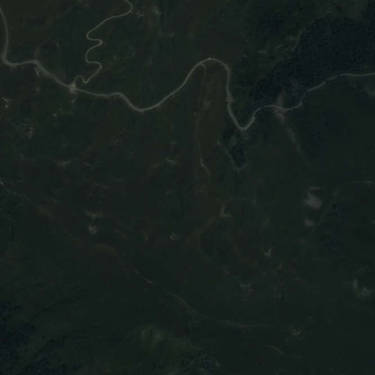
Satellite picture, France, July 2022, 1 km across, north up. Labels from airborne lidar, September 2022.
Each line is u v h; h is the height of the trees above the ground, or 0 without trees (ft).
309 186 0
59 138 0
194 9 0
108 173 0
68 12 0
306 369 0
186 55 0
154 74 0
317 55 32
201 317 0
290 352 0
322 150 0
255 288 0
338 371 0
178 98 0
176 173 0
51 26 0
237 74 0
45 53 0
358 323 0
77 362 0
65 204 0
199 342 0
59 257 0
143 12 0
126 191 0
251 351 0
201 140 0
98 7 0
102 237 0
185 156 0
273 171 0
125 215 0
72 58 0
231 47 0
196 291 0
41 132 0
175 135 0
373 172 0
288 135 0
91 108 0
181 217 0
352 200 0
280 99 0
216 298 0
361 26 54
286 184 0
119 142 0
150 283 0
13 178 0
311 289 0
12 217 0
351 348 0
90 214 0
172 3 0
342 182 0
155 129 0
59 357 0
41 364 48
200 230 0
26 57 0
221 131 0
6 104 0
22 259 0
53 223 0
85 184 0
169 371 0
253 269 0
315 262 0
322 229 0
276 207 0
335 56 40
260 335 0
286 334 0
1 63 0
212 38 0
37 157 0
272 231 0
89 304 0
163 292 0
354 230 0
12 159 0
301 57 40
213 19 0
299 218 0
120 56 0
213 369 0
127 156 0
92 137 0
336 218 0
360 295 0
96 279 0
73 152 0
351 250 0
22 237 0
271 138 0
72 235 0
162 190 0
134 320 0
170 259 0
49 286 0
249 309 0
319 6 0
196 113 0
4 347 48
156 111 0
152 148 0
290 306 0
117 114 0
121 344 0
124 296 0
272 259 0
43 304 0
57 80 0
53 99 0
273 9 0
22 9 0
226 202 0
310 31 27
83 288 0
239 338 0
